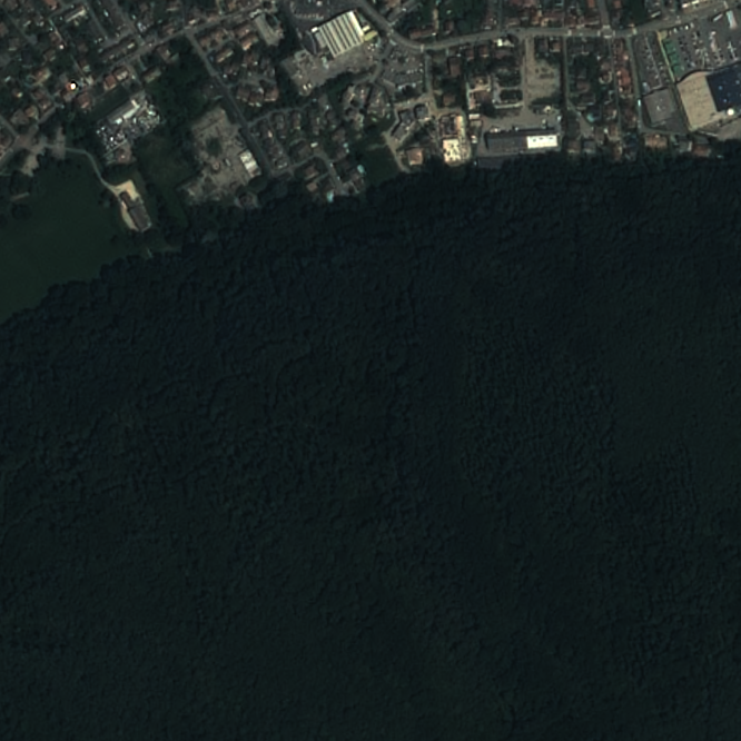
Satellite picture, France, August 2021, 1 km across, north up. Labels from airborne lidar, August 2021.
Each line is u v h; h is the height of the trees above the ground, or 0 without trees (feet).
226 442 72
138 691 68
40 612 71
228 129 0
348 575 57
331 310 42
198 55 20
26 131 26
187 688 57
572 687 63
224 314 35
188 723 64
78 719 55
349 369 66
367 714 56
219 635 63
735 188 84
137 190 0
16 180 47
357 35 0
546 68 0
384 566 80
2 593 27
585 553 63
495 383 47
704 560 52
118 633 64
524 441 27
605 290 45
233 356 63
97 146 41
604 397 62
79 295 84
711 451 53
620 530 20
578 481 56
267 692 55
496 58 20
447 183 52
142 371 77
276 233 77
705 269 39
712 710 81
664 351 63
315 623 60
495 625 63
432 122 28
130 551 53
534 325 69
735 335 64
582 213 67
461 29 49
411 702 50
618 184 68
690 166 42
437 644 69
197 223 49
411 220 23
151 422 70
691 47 0
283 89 45
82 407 79
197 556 69
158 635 44
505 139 0
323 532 44
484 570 70
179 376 68
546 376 63
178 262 86
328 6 0
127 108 0
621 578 69
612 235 66
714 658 48
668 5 26
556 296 56
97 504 42
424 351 72
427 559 83
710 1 0
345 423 65
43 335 98
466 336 67
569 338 80
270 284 29
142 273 89
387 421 57
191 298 70
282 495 73
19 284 0
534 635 52
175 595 48
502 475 48
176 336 45
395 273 64
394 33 0
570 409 61
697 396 61
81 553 38
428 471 70
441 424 57
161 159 0
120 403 45
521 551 74
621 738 55
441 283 54
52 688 70
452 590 93
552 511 63
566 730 24
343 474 59
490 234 56
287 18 31
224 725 49
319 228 73
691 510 55
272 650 52
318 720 47
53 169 0
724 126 0
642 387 58
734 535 67
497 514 31
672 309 62
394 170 0
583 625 61
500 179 70
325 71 0
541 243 61
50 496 28
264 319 56
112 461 73
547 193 93
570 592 60
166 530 42
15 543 32
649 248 68
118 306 67
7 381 34
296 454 77
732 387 52
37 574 48
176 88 27
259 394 48
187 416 42
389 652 69
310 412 77
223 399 69
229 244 80
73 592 68
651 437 55
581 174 35
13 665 57
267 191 45
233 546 39
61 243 0
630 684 38
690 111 0
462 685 68
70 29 19
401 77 0
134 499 62
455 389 53
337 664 60
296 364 66
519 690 71
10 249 0
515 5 19
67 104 37
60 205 0
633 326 57
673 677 68
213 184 0
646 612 57
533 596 66
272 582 53
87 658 70
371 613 61
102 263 0
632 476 60
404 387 84
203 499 42
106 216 0
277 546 65
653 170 49
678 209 60
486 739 50
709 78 0
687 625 61
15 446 60
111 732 58
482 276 56
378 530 79
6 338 72
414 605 80
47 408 62
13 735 47
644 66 0
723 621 54
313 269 50
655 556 61
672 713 53
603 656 41
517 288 59
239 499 40
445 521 82
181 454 31
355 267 58
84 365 41
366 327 66
